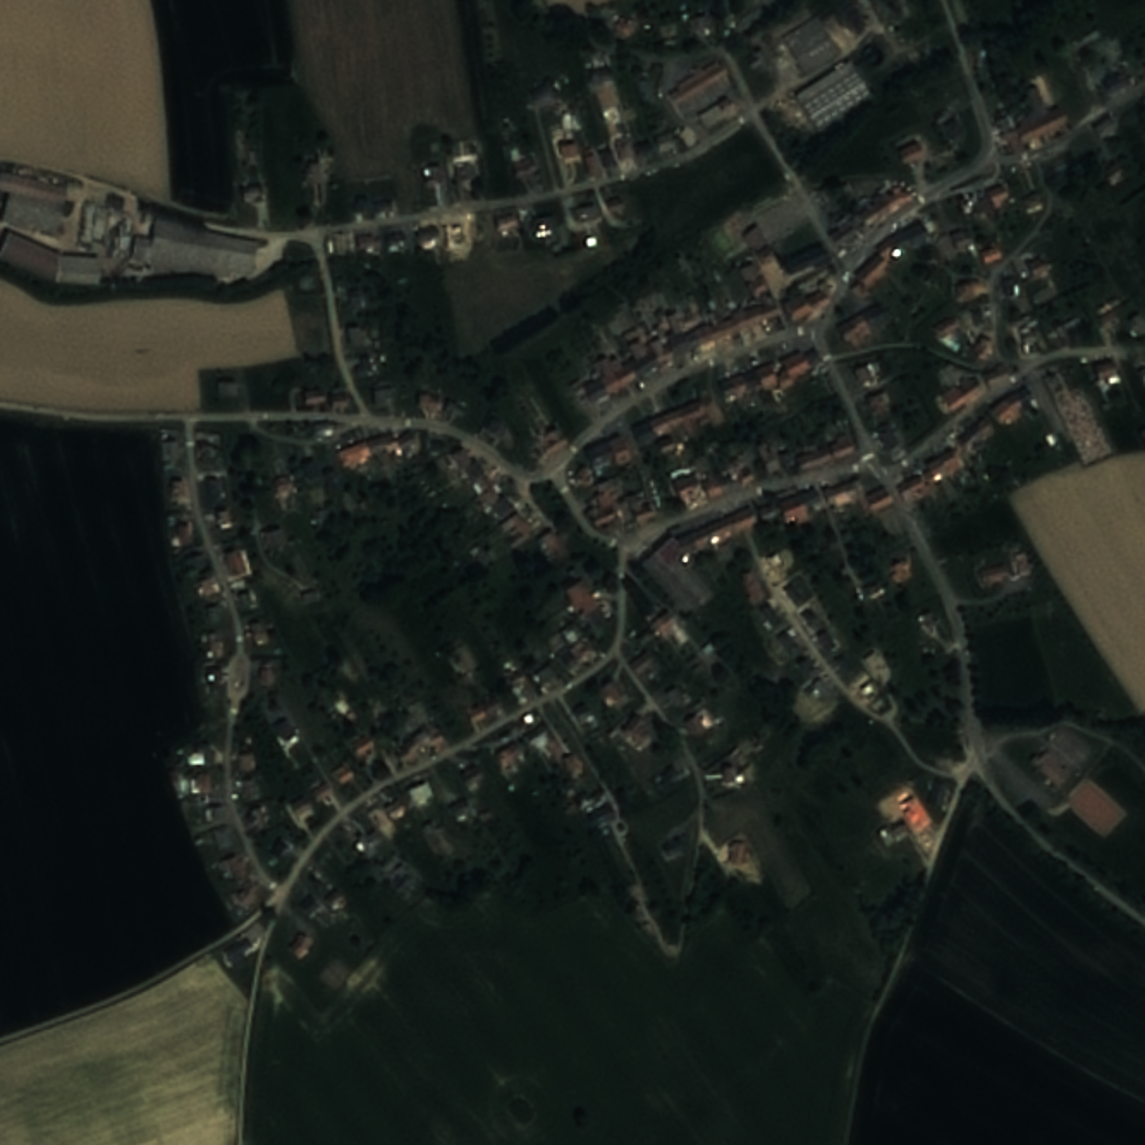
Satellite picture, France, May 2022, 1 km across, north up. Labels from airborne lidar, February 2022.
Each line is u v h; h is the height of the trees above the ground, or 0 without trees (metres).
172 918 0
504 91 0
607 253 0
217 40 0
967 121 0
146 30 0
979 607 0
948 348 0
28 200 0
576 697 0
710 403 0
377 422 0
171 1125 0
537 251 0
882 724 0
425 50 0
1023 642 0
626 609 0
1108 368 0
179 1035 0
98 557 0
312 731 0
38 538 0
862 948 0
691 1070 0
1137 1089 0
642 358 0
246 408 0
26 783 0
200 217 0
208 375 0
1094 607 0
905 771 0
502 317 0
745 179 0
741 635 0
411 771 0
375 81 0
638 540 0
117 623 0
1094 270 7
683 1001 0
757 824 0
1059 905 0
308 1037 0
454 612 0
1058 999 0
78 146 0
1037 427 0
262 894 0
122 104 0
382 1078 0
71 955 0
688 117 0
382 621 0
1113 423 0
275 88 0
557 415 0
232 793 0
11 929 0
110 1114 0
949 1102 0
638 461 0
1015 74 17
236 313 0
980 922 0
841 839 0
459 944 0
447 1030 0
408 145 0
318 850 0
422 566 6
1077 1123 0
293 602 0
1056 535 0
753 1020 0
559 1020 0
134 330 0
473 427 0
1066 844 0
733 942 0
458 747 0
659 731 14
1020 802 0
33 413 0
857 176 0
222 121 0
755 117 0
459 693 0
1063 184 7
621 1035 0
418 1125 0
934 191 0
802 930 0
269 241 0
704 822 0
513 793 0
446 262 0
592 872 0
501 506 0
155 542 0
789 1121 0
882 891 0
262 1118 0
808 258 0
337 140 0
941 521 0
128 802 0
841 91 0
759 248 0
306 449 0
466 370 13
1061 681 0
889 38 0
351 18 0
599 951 0
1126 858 0
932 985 0
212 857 0
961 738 0
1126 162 6
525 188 0
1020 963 0
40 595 0
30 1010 0
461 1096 0
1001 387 0
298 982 0
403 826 0
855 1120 0
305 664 0
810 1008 0
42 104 0
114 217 0
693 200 0
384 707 0
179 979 0
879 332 0
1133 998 0
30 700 0
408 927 0
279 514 0
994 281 0
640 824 0
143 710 0
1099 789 0
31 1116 0
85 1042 0
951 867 0
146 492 0
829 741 19
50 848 0
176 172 0
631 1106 0
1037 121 0
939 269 14
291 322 0
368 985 0
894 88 16
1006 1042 0
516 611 0
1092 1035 0
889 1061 0
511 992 0
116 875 0
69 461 0
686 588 0
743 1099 0
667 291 0
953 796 0
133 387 0
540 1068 0
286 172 0
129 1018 0
